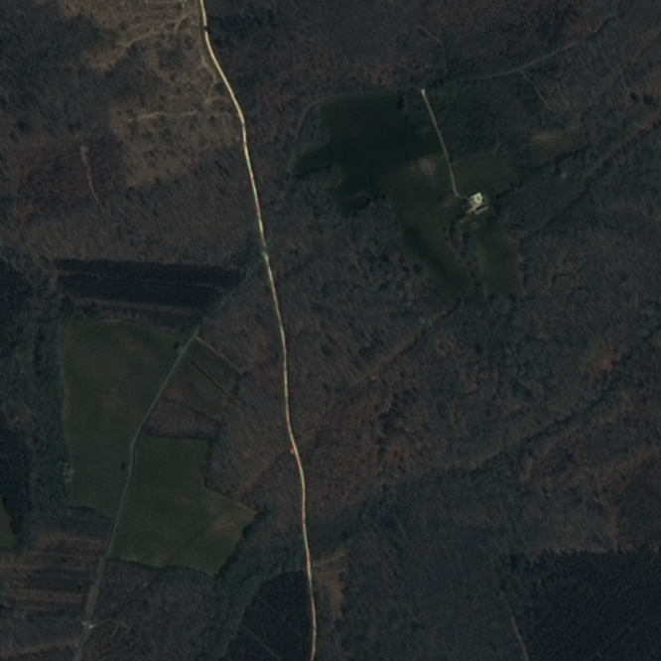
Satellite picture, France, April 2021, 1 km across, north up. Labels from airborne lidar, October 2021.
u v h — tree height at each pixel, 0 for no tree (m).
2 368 23
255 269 15
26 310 15
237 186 17
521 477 18
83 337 0
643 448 10
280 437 19
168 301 9
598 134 15
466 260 21
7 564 13
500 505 22
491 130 9
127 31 0
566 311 15
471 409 9
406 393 10
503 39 6
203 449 0
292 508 22
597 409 19
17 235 14
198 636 15
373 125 0
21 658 0
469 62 7
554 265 20
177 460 0
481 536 16
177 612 18
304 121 12
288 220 16
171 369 0
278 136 10
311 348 22
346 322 16
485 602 17
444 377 8
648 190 18
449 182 0
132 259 13
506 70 7
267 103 7
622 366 9
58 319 17
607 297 19
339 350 13
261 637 14
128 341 0
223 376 0
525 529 21
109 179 8
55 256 16
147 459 0
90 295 10
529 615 16
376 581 17
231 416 19
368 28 11
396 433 14
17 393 28
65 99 14
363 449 8
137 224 17
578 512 19
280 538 22
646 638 15
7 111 25
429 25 10
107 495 0
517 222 8
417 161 0
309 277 21
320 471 8
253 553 19
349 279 19
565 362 24
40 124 13
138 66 30
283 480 18
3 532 0
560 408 24
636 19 10
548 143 0
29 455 17
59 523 19
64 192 7
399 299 14
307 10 12
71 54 16
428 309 7
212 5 10
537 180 9
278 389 7
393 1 19
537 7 6
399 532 18
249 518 0
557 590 15
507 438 19
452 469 17
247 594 27
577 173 21
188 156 18
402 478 12
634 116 16
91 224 19
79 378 0
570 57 7
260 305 19
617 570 14
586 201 8
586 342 19
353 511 12
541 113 22
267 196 19
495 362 9
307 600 15
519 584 16
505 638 16
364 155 0
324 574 0
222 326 20
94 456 0
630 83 14
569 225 8
